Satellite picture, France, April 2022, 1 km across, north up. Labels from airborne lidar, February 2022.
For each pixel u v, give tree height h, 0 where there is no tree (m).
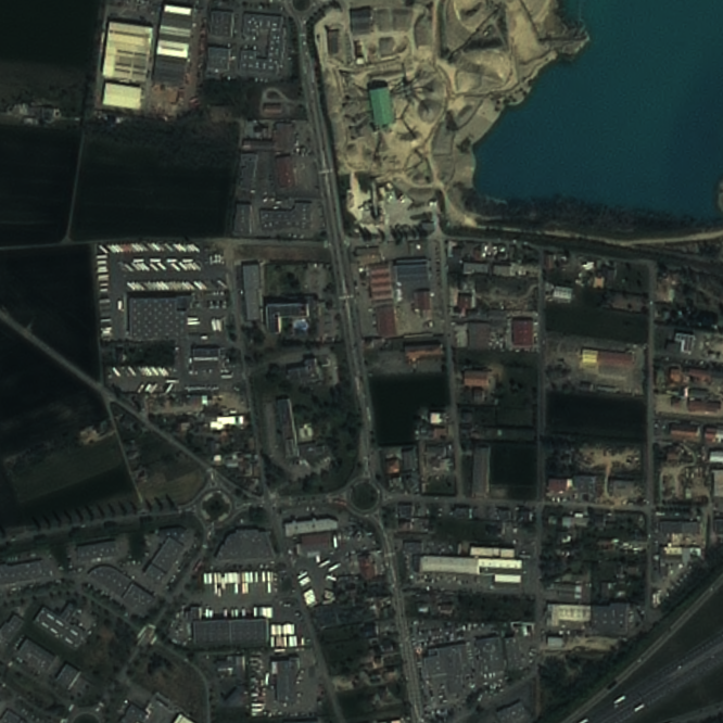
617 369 0
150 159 0
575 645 0
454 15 0
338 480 0
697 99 0
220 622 0
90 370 0
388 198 0
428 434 0
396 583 0
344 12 0
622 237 0
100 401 0
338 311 0
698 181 0
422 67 0
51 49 0
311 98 0
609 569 0
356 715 0
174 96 0
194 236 0
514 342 0
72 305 0
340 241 0
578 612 0
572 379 0
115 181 0
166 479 0
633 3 0
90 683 0
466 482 0
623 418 0
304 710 0
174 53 0
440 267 0
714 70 0
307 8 0
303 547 0
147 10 0
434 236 0
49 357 0
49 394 0
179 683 0
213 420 0
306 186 0
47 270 0
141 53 0
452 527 0
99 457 0
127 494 0
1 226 0
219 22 0
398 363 0
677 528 0
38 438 0
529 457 0
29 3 0
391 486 0
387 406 0
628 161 0
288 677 0
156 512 0
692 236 0
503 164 0
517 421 0
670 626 0
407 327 0
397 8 0
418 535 0
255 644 0
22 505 0
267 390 0
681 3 0
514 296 0
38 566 0
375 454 0
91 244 0
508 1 0
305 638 0
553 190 0
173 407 0
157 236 0
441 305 0
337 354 0
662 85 0
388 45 0
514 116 0
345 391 12
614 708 0
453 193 0
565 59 7
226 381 0
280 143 0
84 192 0
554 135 0
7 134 0
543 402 0
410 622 0
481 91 0
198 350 0
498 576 0
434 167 0
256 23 0
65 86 0
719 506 0
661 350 0
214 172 0
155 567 0
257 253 0
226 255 0
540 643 0
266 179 0
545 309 0
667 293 0
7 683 0
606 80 0
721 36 0
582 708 0
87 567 0
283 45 0
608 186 0
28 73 0
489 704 0
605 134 0
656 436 0
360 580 9
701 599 0
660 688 0
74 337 0
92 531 0
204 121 15
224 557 0
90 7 0
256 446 0
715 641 0
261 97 0
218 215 0
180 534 0
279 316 0
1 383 0
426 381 0
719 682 0
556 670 19
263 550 0
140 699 0
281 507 0
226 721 0
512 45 0
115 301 0
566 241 0
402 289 0
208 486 0
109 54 0
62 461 0
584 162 0
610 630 0
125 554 0
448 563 0
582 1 0
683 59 0
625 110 0
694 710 0
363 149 0
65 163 0
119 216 0
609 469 0
